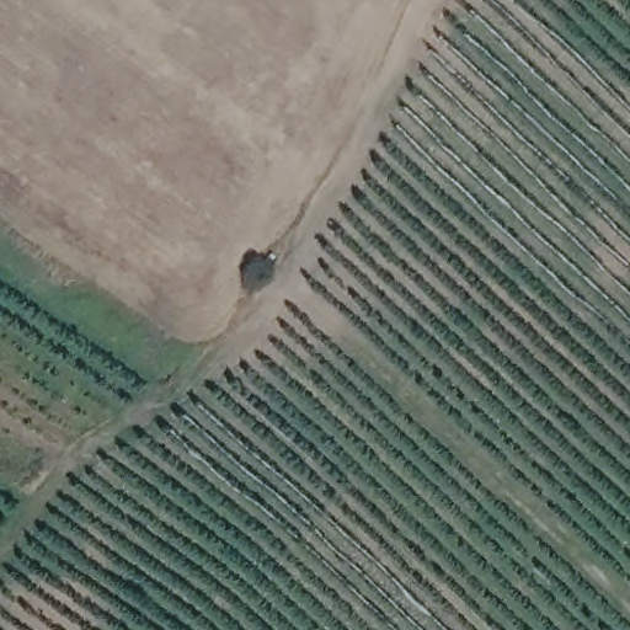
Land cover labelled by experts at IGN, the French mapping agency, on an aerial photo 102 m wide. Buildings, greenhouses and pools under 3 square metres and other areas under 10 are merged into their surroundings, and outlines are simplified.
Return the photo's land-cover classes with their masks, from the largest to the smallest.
<instances>
[{"label":"deciduous trees","instance_id":"1","mask_svg":"<svg viewBox=\"0 0 630 630\"><path fill-rule=\"evenodd\" d=\"M544 7L551 10L571 34L583 39L588 49L596 52V57H600L630 86V0H541ZM453 30L443 32L441 39L450 49H455L495 91V98H487L482 91L473 96L495 118L482 130L487 135V143L475 148V153L507 177L504 182H500V197L507 199V207L497 209L517 229V244L524 251L514 256L470 212H465L458 199H453L433 177H428L396 143L389 140L384 145L418 182L426 185L428 192H433L460 221H465L497 256H502L512 268H517L519 276L546 303H551L625 377H630V266L625 276H618L608 263L600 261L596 249L608 241V236L596 224H591L588 214L596 212L630 244V150L618 138H613L603 128V123H598L556 79H551L480 10L473 7V12H468L460 5L453 10ZM377 170H381L389 182H394L421 212H426L519 305H524L556 340H561L576 357H581L588 364V369L598 374L630 406V391L610 372H605L596 362V357L588 349H583L564 327H559L549 313H544L529 295H524L519 285L509 276H504L475 244H470L438 209H433L391 165H386L384 160L377 162ZM372 192L379 194L381 202H386L404 221H409L448 263H453L458 273L468 283H473L507 320H512L546 357H551L578 386H583V391L591 399H596L615 421H620L630 431V418L608 396H603L598 386L588 381L566 357H561L527 320H522L502 298H497L480 281V276L473 273L463 263V258L455 256L445 244H441L404 204H399L394 194H389L377 180L364 182ZM359 204L384 229H389L406 246L409 253H413L438 281H443L463 303H468L522 359H527L564 399L581 409V413L588 421H593L596 428H600L630 458V445L573 391H568L539 359H534V354L512 332H507L482 305H477L470 298V293L463 285H458L428 253H423L409 234H404L367 197L359 199ZM349 224L367 241H372V246H377L381 256L396 263L426 295H431L441 305L443 313H448L458 325H463L480 342L482 349H487L586 445H591L600 458L608 460V465L620 477L630 482V470L605 445H600L568 411L559 409L551 401V396L536 381H532L522 367H517L507 354H502L500 347L490 342L465 313L450 305L416 268H411L401 256H396L391 246L381 236H377L354 212L347 214ZM342 244H347L411 308H416L436 330H441L443 337L460 354H465L480 372H485L492 384H497L514 404H519V409L529 418H534L566 453H571L596 480H600L615 495L618 502H623L630 509V497L576 445H571L566 436L559 433L536 409H532L406 285H401L386 268H381L342 226L335 231ZM322 251H327V256H332L342 268H347L404 325H409L413 332L411 337H404L389 320H384V315L377 308L369 305V300H364L354 288H349L340 276H335L332 268H325V276L332 278L342 290H347L349 298H354L362 305V310L374 317L372 325H367L352 308H347L335 293H330L327 285H322L308 268H300L303 281L325 303H330L369 342H374V347L381 354H386L409 379H413L416 386L423 389L443 413H448L468 436H473L487 453H492L514 480H519L566 527H571L591 546V551L598 559H603L605 571L630 583V573L623 571V564H618V559L613 556L618 544L615 534L608 527H603V522L596 514H591L581 504V500H576V495L568 492V487H564L544 465L546 460H551L556 468H561L573 485H578L630 536V522L615 507H610L586 480H581L566 460H561L544 441H539L536 433H532L490 389H485L473 374H468L450 357V352L441 347L436 337H431L411 315H406L332 244H327ZM273 261L263 251L244 253L239 266L244 290L256 293L273 278ZM285 308L308 327V332H313L335 352V357H322L283 317H278L281 330L290 335L303 349H308L310 357L300 359L285 342L278 352L288 357L303 374H308L330 399H335L340 409H345L352 416V421L345 426L337 416L327 411V406L320 404V399H315L300 381H295L281 364H276L261 349L256 352L258 362H263V367H268L276 377H281V381L276 386L266 384L261 399L244 386L239 377H234L231 384L256 409L273 418L288 436H293V441L300 443L322 468H327V473L337 477L340 485H345L347 492L337 497L327 480H320V475L305 465V460L295 450H290L266 423L251 416L241 404H236L221 386H217V391H209L204 386L207 379L202 377L199 367L192 369V374L170 372L160 379V386H145V379L138 369L128 367L123 359H118L111 349L91 340L89 335L79 332L76 325L52 315L30 293L0 278V315L30 337H34L42 347H49L54 354H62L69 364L94 377V381L101 384L106 391L116 394L123 401H130L123 418L130 426L145 428L140 441L150 450L160 453L170 465L192 477L197 485H202L212 497H217L224 507L239 514V519L261 532V536L283 554L281 561L271 559L251 536H246L226 517L217 514L194 492H189L182 482H177L172 475H167L162 468H158L153 460H148L140 450H135L128 443L123 448L128 458L153 470L155 477L177 490L187 502L199 507V512H204L226 532H231L239 541H244L266 566L273 568L271 573H261L226 539H221L207 524L187 514L180 504H175L155 485L143 480L138 473L126 468L113 455H108L106 465L116 475L126 477L128 482L148 492L162 509H167L187 527L199 532L202 536L197 544L167 522H162L160 517H155L135 497L113 487L103 475L94 473L91 477L108 487V492L130 504L135 512L150 517L160 529H165V539H160L143 522L133 519L121 507L108 502L98 490L76 480V487L86 492L96 504H101L106 512L133 527L140 536L160 546L167 556L187 566L202 581L214 586L217 593H221L261 630H477L460 610L453 608L448 598L441 596V583H448L463 598V603L470 605L495 630H630V618L623 613L618 603H613L605 596V591L598 583H593L581 568H576L573 561L564 556L534 524H529V519L517 507L497 497L453 453L450 445L433 436L421 421H416L413 413H409V409H404L401 401L384 386V381L374 379L369 369H364L349 352H345L327 332H322L310 320V315L300 310L293 300H285ZM189 453L204 458L219 475H224L234 487H239L241 495L231 500L202 473H197L189 463H185ZM62 502L74 507L103 534L123 544L148 566L170 576L177 586H182L187 593L204 603L202 610H197L192 603L175 596L167 586L143 573L135 564L126 561L118 551L98 541L81 524H76L71 517L57 509V519H62L79 536H84L101 554H106L113 564L130 571V578L108 571L91 556H86L84 549H79L64 534H59L54 527L44 524V529H37L32 519L22 524V529H15L10 534L12 549L20 546L22 564H27L34 573L47 578L59 591H64L89 613L113 625V630H244L236 618L219 608L204 591L192 586L185 576L158 561L153 554H148L143 546L130 541L123 532L96 517L94 512H89L76 497L57 492ZM64 573L74 576L76 581L96 591L101 598L118 605L123 610L121 618L111 615L94 600L84 598L74 586L64 583ZM2 568L20 586L32 591L37 598L49 603L57 613L66 615L84 630H101L62 600H57L54 596H49L44 588L32 583L27 573L5 561ZM0 591L32 618L44 623L49 630H66L64 625L47 618L39 608H34L30 600L17 598L10 591V586L0 588Z\"/></svg>","mask_w":630,"mask_h":630},{"label":"herbaceous vegetation","instance_id":"2","mask_svg":"<svg viewBox=\"0 0 630 630\"><path fill-rule=\"evenodd\" d=\"M460 5L468 12H473V7L480 10L551 79H556L598 123H603V128L613 138H618L630 150V86L600 57H596V52L588 49L583 39L571 34L551 10L544 7L541 0H399L391 30L381 49L377 52V59L396 62L406 71L404 81L396 79L379 96L377 106L367 103L352 113V118L345 123L340 133L337 145L332 148L330 160L325 162L322 172L315 175L310 189L305 192L295 217L281 231V236L263 251L273 261V278L256 293L244 290L239 293L234 313L219 335L199 342L170 340L162 330L150 327L143 315L133 313L111 293L101 290L94 281H86L81 285H54L49 276H37L34 261L15 246L20 234L5 219H0V278L30 293L52 315L76 325L79 332L89 335L91 340L111 349L118 359H123L128 367L138 369L145 379V386H160V379L170 372L192 374V369L199 367L202 377L207 379L204 386L209 391H217V386H221L236 404H241L251 416L266 423L290 450H295L305 460V465L320 475V480H327L337 497L347 492L345 485H340L337 477L327 473V468H322L300 443L293 441V436H288L273 418L256 409L231 384L234 377H239L244 386L261 399L266 384L276 386L281 381V377H276L268 367H263V362H258L256 352L261 349L276 364H281L295 381H300L315 399H320V404L327 406V411L337 416L345 426L352 421V416L345 409H340L335 399H330L308 374H303L288 357L278 352L285 342L300 359L310 357L308 349H303L290 335L281 330L278 317H283L322 357H335V352L313 332H308V327L285 308V300H293L300 310L310 315V320L322 332H327L345 352H349L364 369H369L374 379L384 381V386L401 401L404 409H409V413H413L416 421H421L433 436L450 445L453 453L497 497L517 507L529 519V524H534L564 556L573 561L576 568H581L593 583H598L605 591V596L613 603H618L623 613L630 618V583L605 571L603 559H598L591 551V546L571 527H566L519 480H514L492 453H487L473 436H468L448 413H443L423 389L416 386L413 379H409L386 354H381L374 347V342H369L330 303H325L303 281L300 268H308L322 285H327L330 293H335L347 308H352L367 325H372L374 317L362 310V305L354 298H349L347 290H342L332 278L325 276V268H332L335 276H340L349 288H354L364 300H369V305L377 308L384 315V320H389L404 337H411L413 332L409 325H404L347 268H342L332 256H327V251H322L327 244H332L406 315H411L431 337H436L441 347L450 352V357L468 374H473L485 389H490L532 433H536L539 441H544L561 460H566L581 480H586L610 507H615L630 522V509L623 502H618L615 495L600 480H596L571 453H566L534 418H529L519 409V404H514L497 384H492L485 372H480L465 354H460L443 337L441 330H436L416 308H411L347 244H342L335 231L342 226L381 268H386L401 285H406L532 409H536L559 433L566 436L571 445H576L630 497V482L620 477L608 465V460L600 458L591 445H586L487 349H482L480 342L463 325H458L448 313H443L441 305L431 295H426L396 263L381 256L377 246H372V241H367L349 224L347 214L354 212L377 236H381L391 246L396 256H401L411 268H416L450 305L465 313L490 342L500 347L502 354H507L517 367H522L532 381H536L551 396V401L559 409L568 411L600 445H605L630 470V458L600 428H596L593 421H588L581 413V409L564 399L527 359H522L468 303H463L443 281H438L413 253H409L406 246L389 229H384L359 204V199L367 197L404 234H409L423 253H428L458 285H463L470 293V298L477 305H482L507 332H512L534 354V359H539L568 391H573L630 445V431L620 421H615L596 399H591L583 391V386H578L551 357H546L512 320H507L473 283H468L458 273L453 263H448L409 221H404L386 202H381L379 194L372 192L364 182L377 180L389 194H394L399 204H404L441 244H445L455 256L463 258V263L473 273L480 276V281L497 298H502L522 320H527L561 357H566L588 381L598 386L603 396H608L630 418V406L598 374L588 369V364L581 357H576L561 340H556L524 305H519L426 212H421L394 182H389L381 170H377V162L384 160L386 165H391L433 209H438L470 244H475L504 276H509L519 285L524 295H529L544 313H549L559 327H564L583 349H588L596 357V362L605 372H610L630 391V377H625L551 303H546L519 276L517 268H512L502 256H497L465 221H460L433 192H428L426 185L418 182L384 145L389 140L396 143L428 177H433L453 199H458L465 212H470L514 256L524 251L517 244V229L497 209L507 207V199L500 197V182H504L507 177L475 153V148L487 143V135L482 130L495 118L473 96L482 91L487 98H495V91L455 49H450L441 39L443 32L453 30V10ZM591 224H596L608 236V241L596 249L600 261L608 263L618 276H625L630 266V244L596 212L588 214ZM130 401H123L116 394L106 391L101 384L94 381V377L69 364L62 354H54L49 347H42L34 337H30L0 315V588L10 586V591L17 598L30 600L34 608H39L47 618L64 625L66 630H84L66 615L57 613L49 603L37 598L32 591L20 586L2 568L5 561L27 573L32 583L44 588L49 596H54L57 600H62L101 630H113V625L89 613L64 591H59L47 578L34 573L27 564H22L20 546L12 549L10 534L15 529H22V524L32 519L37 529H44V524L54 527L59 534H64L79 549H84L86 556H91L108 571L130 578V571L113 564L106 554H101L84 536H79L62 519H57V509L71 517L76 524H81L98 541L118 551L126 561L135 564L143 573L167 586L175 596L192 603L197 610H202L204 603L187 593L182 586H177L170 576L148 566L123 544L103 534L74 507L62 502L57 492L76 497L89 512H94L96 517L123 532L130 541L143 546L148 554H153L158 561L185 576L192 586L204 591L219 608L236 618L244 630H261L221 593H217L214 586L202 581L187 566L167 556L160 546L140 536L133 527L106 512L101 504H96L86 492L76 487V480L98 490L108 502L121 507L133 519L143 522L160 539H165V529H160L150 517L135 512L130 504L108 492V487L91 477L94 473L103 475L113 487L135 497L155 517H160L162 522H167L197 544L202 536L199 532L187 527L167 509H162L148 492L128 482L126 477L116 475L106 465L108 455H113L126 468L138 473L143 480L155 485L175 504H180L187 514L207 524L221 539H226L261 573H271L273 568L266 566L244 541H239L231 532H226L204 512H199V507L187 502L177 490L155 477L153 470L128 458L123 448L128 443L135 450H140L148 460H153L158 468H162L167 475H172L177 482H182L189 492H194L217 514L226 517L246 536H251L271 559L281 561L283 554L261 536V532L239 519V514L224 507L217 497H212L202 485H197L192 477L170 465L160 453L150 450L140 441L145 428L130 426L123 418ZM185 463H189L197 473H202L231 500L241 495L239 487H234L224 475H219L204 458L189 453ZM564 487H568V492L576 495V500H581V504L591 514H596L603 522V527H608L615 534L618 544L613 556L618 559V564H623V571L630 573V536L578 485H573L561 468H556L551 460H546L544 465ZM64 583L74 586L84 598L94 600L111 615L121 618L123 610L118 605L101 598L96 591L76 581L74 576L64 573ZM441 596L448 598L453 608L460 610L477 630H495L470 605L463 603V598L448 583H441ZM0 630H49L44 623L32 618L0 591Z\"/></svg>","mask_w":630,"mask_h":630},{"label":"agricultural land","instance_id":"3","mask_svg":"<svg viewBox=\"0 0 630 630\"><path fill-rule=\"evenodd\" d=\"M399 0H0V219H5L20 234L15 246L34 261L37 276H49L54 285H81L86 281H94L101 290L111 293L133 313L143 315L150 327L162 330L170 340L199 342L219 335L234 313L239 293L244 290L239 266L244 253L263 251L281 236V231L295 217L305 192L310 189L315 175L322 172L325 162L330 160L332 148L337 145L340 133L345 123L352 118V113L367 103L377 106L379 96L396 79L404 81L406 71L396 62L377 59V52L381 49L391 30Z\"/></svg>","mask_w":630,"mask_h":630}]
</instances>
